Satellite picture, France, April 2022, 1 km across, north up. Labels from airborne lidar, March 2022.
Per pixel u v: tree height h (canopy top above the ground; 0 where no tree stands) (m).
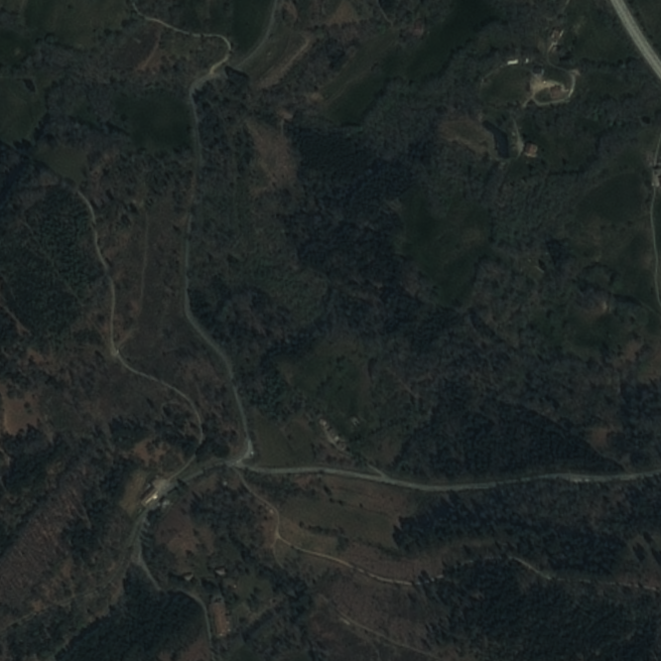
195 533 0
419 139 21
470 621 14
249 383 14
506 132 21
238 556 0
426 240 0
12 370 19
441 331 13
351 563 0
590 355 0
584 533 15
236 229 26
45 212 8
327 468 0
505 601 15
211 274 10
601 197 0
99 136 26
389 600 0
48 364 7
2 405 13
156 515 12
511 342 8
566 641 12
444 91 26
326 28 10
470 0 0
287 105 29
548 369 25
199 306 16
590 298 27
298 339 18
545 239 14
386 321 18
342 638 0
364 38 18
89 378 12
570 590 11
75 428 0
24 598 27
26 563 28
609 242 0
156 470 7
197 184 0
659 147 0
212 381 0
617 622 11
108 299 25
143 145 0
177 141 0
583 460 16
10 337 17
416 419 7
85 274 9
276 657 19
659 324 0
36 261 8
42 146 21
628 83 17
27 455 23
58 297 8
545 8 14
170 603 28
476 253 0
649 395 29
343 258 21
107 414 0
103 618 0
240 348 17
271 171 0
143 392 0
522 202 6
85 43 0
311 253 23
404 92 24
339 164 19
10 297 16
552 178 13
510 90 0
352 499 0
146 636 23
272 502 0
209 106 6
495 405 20
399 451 0
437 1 18
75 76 26
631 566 8
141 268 0
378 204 35
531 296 7
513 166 0
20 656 14
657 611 9
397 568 0
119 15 0
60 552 25
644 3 0
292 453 0
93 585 20
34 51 0
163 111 0
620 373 25
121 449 16
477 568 6
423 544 28
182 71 20
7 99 0
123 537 8
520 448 18
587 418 8
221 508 17
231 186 24
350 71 0
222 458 15
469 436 19
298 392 6
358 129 13
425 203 0
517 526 18
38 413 0
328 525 0
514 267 8
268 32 0
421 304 13
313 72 20
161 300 0
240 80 23
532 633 10
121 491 34
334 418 0
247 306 20
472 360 20
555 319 18
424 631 0
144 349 0
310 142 21
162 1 10
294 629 17
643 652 14
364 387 0
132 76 20
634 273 0
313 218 16
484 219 0
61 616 18
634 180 0
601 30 0
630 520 10
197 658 0
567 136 11
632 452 8
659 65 0
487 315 22
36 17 0
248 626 10
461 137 0
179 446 28
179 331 0
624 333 0
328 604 0
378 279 17
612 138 22
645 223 0
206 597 0
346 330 24
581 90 0
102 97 22
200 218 24
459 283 0
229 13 17
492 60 17
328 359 0
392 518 0
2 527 11
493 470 23
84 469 27
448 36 0
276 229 7
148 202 0
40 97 0
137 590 31
